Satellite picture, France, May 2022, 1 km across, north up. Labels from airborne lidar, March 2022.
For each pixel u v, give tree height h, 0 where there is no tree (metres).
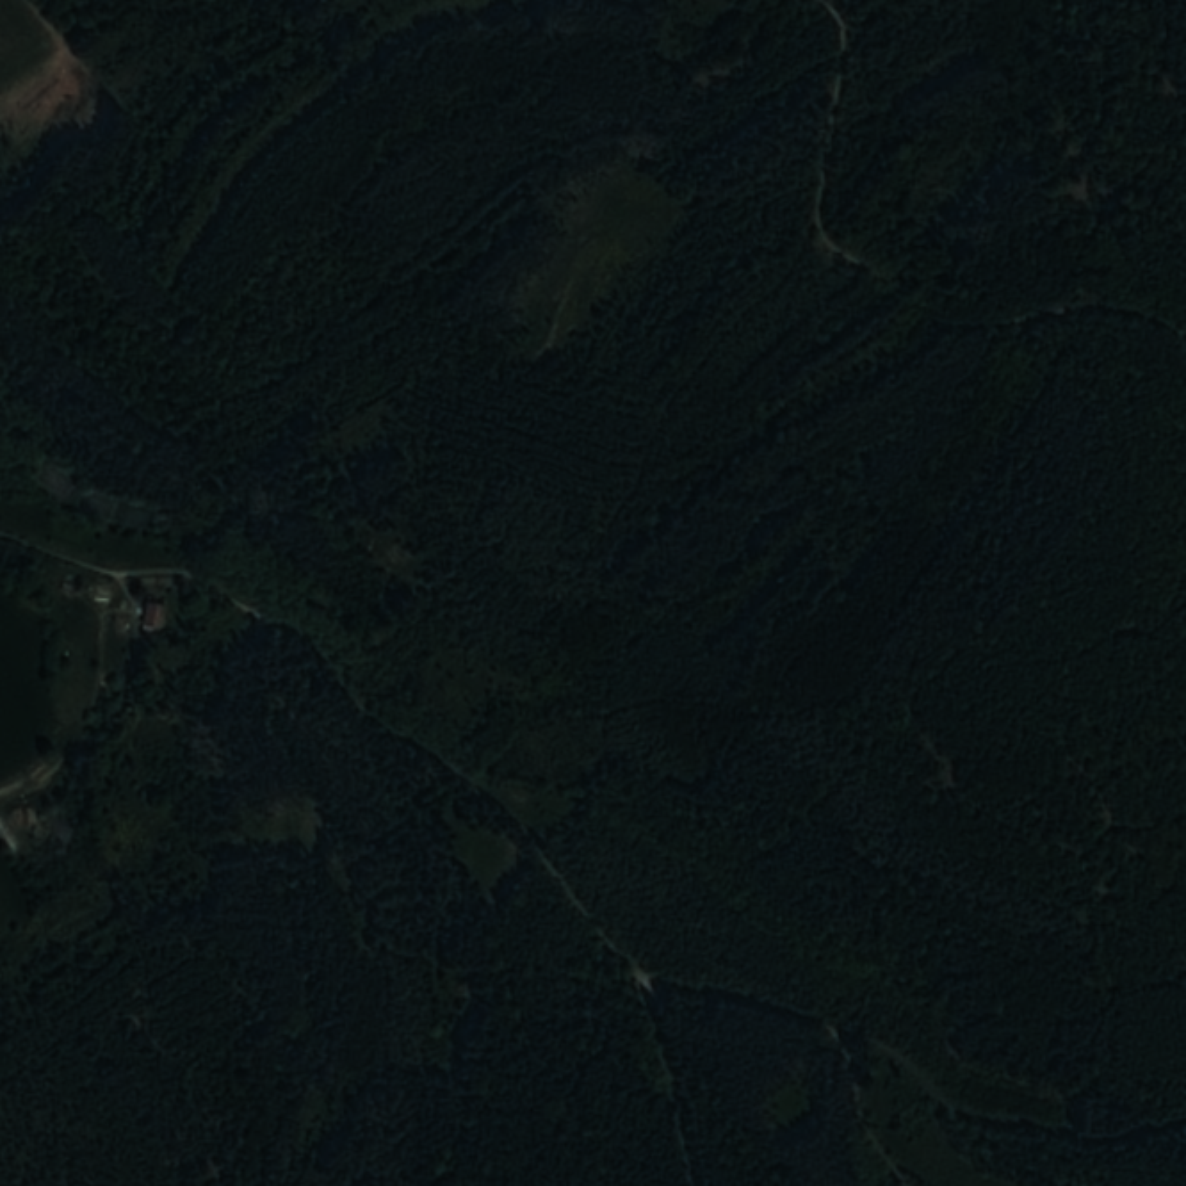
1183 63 17
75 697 0
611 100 19
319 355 17
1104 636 12
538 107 20
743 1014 30
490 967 20
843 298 12
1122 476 17
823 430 27
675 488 12
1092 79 10
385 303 19
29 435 26
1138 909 16
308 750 24
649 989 0
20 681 0
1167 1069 17
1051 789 17
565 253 0
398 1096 26
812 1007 14
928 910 19
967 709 14
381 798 25
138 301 19
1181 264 13
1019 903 22
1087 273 22
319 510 26
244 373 7
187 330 21
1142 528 14
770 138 31
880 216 13
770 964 16
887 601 18
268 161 14
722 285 17
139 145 6
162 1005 6
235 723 30
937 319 12
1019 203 27
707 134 10
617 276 0
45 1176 8
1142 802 12
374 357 11
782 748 19
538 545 17
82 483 22
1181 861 18
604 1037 26
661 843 21
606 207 0
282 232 15
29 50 0
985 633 23
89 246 19
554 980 16
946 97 33
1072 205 9
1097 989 17
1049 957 19
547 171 25
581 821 15
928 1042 5
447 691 0
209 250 15
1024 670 16
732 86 13
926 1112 8
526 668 7
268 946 29
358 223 14
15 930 8
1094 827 12
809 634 18
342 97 15
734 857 19
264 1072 26
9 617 0
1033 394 15
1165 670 12
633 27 30
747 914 15
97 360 12
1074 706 15
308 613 24
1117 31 22
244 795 27
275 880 28
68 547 0
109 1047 9
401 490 28
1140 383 13
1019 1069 26
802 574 16
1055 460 20
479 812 33
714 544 35
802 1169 28
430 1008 9
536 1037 22
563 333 0
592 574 16
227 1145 15
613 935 15
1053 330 19
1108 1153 19
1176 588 11
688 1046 26
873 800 22
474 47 20
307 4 26
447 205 18
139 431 28
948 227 31
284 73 13
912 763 14
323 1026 17
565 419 13
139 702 8
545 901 14
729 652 15
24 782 0
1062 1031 25
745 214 9
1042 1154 20
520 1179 21
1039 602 17
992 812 16
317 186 14
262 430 8
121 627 0
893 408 25
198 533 0
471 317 28
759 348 7
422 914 29
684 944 14
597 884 13
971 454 18
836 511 18
